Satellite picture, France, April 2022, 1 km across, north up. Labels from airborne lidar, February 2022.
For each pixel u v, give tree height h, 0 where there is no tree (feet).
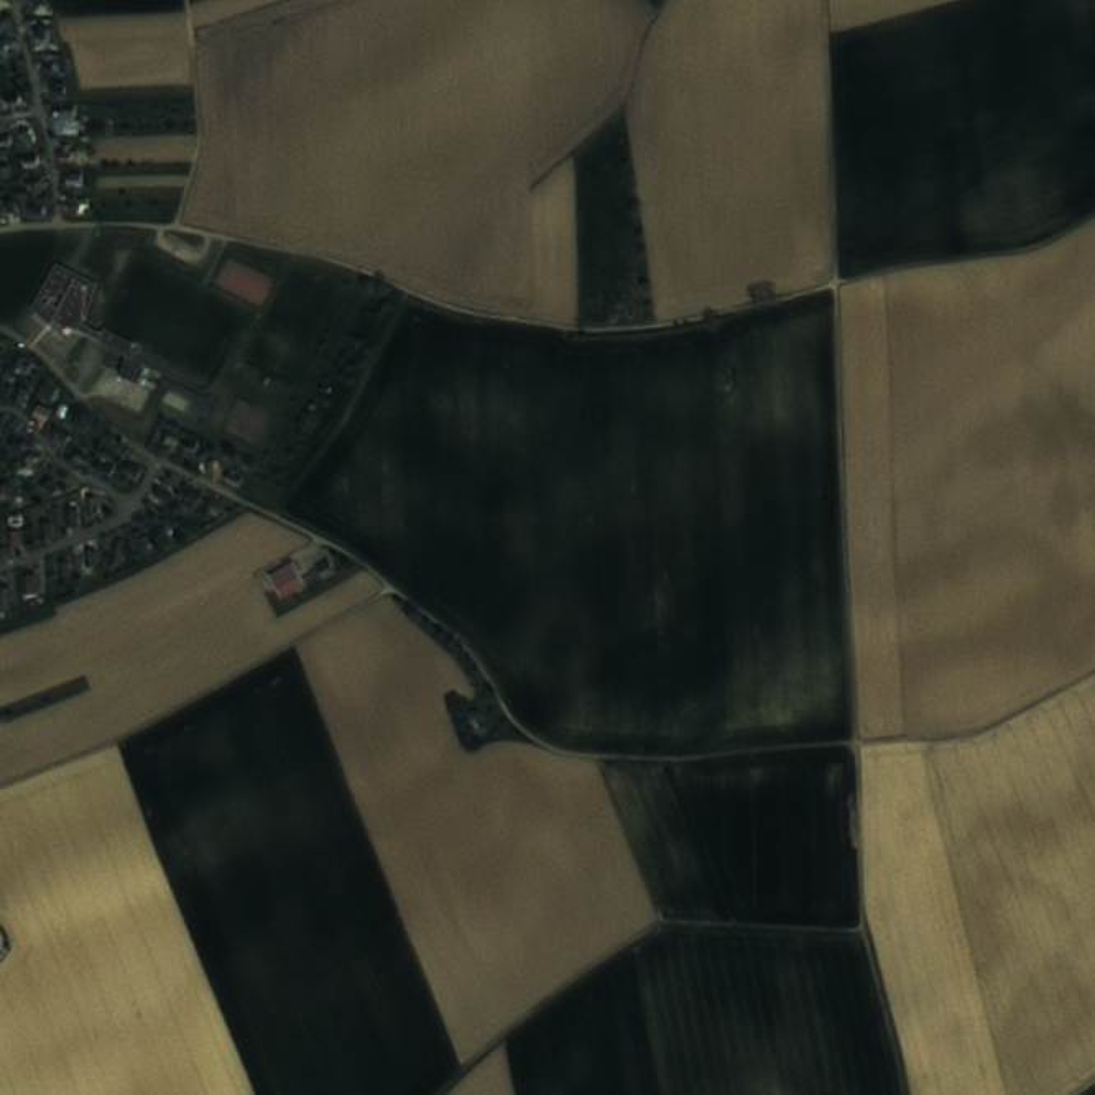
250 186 0
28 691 0
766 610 0
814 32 0
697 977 0
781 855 0
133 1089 0
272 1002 0
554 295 0
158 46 0
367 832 0
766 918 0
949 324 0
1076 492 0
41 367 22
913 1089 0
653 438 0
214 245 0
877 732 0
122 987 0
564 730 0
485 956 0
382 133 0
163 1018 0
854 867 0
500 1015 0
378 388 0
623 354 0
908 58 0
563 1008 0
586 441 0
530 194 0
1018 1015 0
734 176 0
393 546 0
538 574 0
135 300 0
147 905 0
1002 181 0
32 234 0
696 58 0
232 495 0
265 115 0
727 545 0
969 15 0
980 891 0
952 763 0
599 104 0
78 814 0
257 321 0
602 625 0
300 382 0
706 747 0
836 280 0
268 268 0
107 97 0
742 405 0
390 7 0
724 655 0
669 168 0
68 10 0
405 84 0
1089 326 0
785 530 0
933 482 0
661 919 0
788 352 0
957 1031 0
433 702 0
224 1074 0
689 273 0
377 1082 0
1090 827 0
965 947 0
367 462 0
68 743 0
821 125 0
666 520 0
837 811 0
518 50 0
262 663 0
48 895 0
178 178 0
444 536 0
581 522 0
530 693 0
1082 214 0
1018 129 0
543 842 0
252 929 0
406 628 0
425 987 0
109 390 0
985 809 0
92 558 0
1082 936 0
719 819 0
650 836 0
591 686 0
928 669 0
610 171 0
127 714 0
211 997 0
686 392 0
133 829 0
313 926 0
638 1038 0
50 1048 0
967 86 0
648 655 0
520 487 0
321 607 0
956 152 0
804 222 0
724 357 0
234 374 0
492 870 0
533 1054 0
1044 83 0
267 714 0
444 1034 0
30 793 0
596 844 0
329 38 0
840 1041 0
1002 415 0
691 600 0
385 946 0
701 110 0
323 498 0
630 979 0
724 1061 0
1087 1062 0
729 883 0
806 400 0
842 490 0
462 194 0
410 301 0
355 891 0
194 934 0
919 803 0
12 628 0
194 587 0
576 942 0
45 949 0
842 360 0
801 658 0
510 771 0
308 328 0
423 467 0
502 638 0
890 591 0
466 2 0
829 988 0
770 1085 0
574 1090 0
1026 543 0
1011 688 0
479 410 0
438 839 0
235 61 0
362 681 0
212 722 0
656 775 0
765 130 0
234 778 0
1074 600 0
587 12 0
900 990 0
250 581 0
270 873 0
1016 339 0
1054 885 0
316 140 0
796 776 0
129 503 0
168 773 0
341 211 0
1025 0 0
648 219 0
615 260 0
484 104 0
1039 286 0
